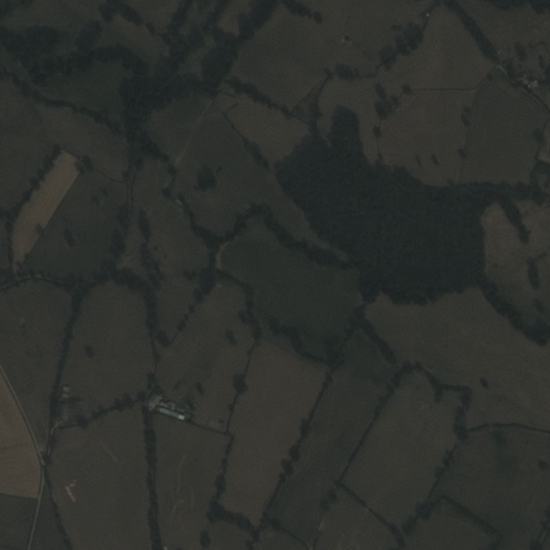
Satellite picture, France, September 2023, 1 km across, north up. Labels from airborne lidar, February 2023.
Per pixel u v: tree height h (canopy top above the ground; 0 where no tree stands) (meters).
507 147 0
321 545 0
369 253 22
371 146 0
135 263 0
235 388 13
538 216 0
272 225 17
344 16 0
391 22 0
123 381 0
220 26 0
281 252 0
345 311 0
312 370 0
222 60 23
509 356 0
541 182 0
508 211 17
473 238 18
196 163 0
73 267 0
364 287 20
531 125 0
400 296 18
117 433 0
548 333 18
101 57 14
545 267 0
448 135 0
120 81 0
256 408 0
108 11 17
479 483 0
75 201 0
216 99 0
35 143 0
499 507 0
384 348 17
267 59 0
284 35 0
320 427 0
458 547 0
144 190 0
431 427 0
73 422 0
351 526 0
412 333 0
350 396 0
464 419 0
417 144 0
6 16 19
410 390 0
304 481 0
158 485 0
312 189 21
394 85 0
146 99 22
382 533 0
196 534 0
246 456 0
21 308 0
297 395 0
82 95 0
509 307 11
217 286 0
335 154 7
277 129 0
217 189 0
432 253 13
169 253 0
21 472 0
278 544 0
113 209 0
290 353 0
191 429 0
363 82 0
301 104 0
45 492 0
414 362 0
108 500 0
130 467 0
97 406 0
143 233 12
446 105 0
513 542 0
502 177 0
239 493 0
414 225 10
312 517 0
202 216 0
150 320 13
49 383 0
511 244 0
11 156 0
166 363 0
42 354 0
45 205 0
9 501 0
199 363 0
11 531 0
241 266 0
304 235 0
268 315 0
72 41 0
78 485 0
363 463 0
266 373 0
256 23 21
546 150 0
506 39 0
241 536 0
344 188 23
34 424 0
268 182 0
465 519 0
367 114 0
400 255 16
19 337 0
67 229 0
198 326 0
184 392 0
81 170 20
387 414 0
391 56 20
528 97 0
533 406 0
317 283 0
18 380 0
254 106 0
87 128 0
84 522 0
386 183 18
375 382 0
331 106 0
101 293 0
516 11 0
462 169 0
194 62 0
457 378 0
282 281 0
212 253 7
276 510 0
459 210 12
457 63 0
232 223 0
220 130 0
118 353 0
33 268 0
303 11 16
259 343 0
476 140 0
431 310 0
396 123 0
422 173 0
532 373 0
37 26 0
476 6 0
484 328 0
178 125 0
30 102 0
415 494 0
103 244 0
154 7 0
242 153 0
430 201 18
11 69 0
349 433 0
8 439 0
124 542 0
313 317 0
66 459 0
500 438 0
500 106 0
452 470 0
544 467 9
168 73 21
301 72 0
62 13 0
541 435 0
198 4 0
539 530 0
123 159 0
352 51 0
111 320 0
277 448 0
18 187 0
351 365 0
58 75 0
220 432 0
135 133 20
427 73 0
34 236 0
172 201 0
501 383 0
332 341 0
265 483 0
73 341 0
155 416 0
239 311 0
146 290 20
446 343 0
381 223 20
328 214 25
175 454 0
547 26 0
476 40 16
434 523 0
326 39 0
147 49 0
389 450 0
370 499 0
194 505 0
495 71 0
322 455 0
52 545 0
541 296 0
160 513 0
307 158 20
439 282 23
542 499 0
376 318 0
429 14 0
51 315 0
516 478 0
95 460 0
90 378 0
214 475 0
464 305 0
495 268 0
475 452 0
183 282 0
